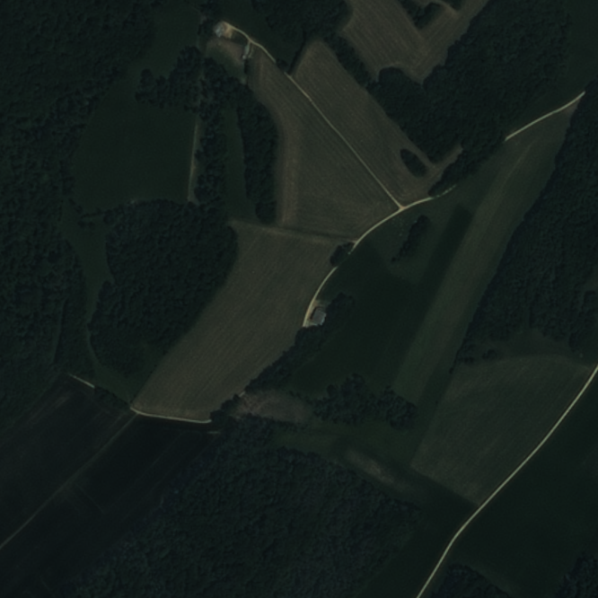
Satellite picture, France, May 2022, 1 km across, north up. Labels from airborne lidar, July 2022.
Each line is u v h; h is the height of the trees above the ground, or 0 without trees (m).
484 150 21
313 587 13
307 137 0
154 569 18
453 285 0
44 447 0
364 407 24
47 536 0
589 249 17
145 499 0
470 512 0
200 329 0
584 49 0
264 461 25
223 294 0
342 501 14
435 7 12
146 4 25
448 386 0
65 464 0
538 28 23
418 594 0
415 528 14
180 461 0
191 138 0
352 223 0
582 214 10
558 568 0
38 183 20
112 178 0
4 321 31
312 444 0
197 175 0
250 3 0
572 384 0
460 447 0
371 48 0
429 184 0
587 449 0
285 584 18
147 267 27
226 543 27
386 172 0
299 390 0
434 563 0
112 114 0
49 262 26
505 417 0
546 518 0
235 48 0
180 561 33
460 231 0
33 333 29
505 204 0
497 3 18
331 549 30
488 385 0
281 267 0
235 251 19
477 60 23
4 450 0
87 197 0
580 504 0
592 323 17
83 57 24
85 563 0
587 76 0
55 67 21
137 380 0
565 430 0
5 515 0
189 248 26
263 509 33
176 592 28
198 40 0
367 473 0
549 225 9
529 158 0
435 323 0
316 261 0
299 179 0
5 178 6
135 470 0
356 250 0
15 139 17
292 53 0
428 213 0
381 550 18
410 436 0
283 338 0
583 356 0
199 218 21
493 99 23
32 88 22
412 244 18
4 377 26
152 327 29
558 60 25
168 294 26
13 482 0
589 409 0
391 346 0
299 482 24
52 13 20
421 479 0
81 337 19
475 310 0
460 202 0
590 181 11
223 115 8
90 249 0
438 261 0
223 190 21
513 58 18
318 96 0
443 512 0
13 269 16
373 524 27
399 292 0
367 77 17
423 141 24
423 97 20
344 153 0
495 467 0
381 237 0
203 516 30
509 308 14
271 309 0
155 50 0
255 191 21
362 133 0
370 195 0
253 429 27
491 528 0
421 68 0
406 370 0
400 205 0
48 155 23
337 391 22
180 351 0
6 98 24
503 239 0
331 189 0
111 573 13
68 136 23
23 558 0
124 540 0
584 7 0
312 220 0
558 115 0
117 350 20
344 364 0
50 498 0
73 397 0
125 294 23
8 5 23
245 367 0
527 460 0
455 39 0
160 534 23
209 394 0
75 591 25
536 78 20
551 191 18
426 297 0
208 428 0
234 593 31
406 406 8
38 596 0
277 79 0
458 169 15
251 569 25
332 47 17
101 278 0
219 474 32
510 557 0
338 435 0
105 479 0
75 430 0
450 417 0
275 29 21
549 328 15
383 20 0
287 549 31
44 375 22
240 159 0
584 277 14
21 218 22
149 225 25
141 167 0
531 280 12
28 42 22
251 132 26
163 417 0
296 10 24
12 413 21
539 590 0
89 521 0
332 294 0
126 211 23
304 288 0
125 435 0
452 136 22
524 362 0
